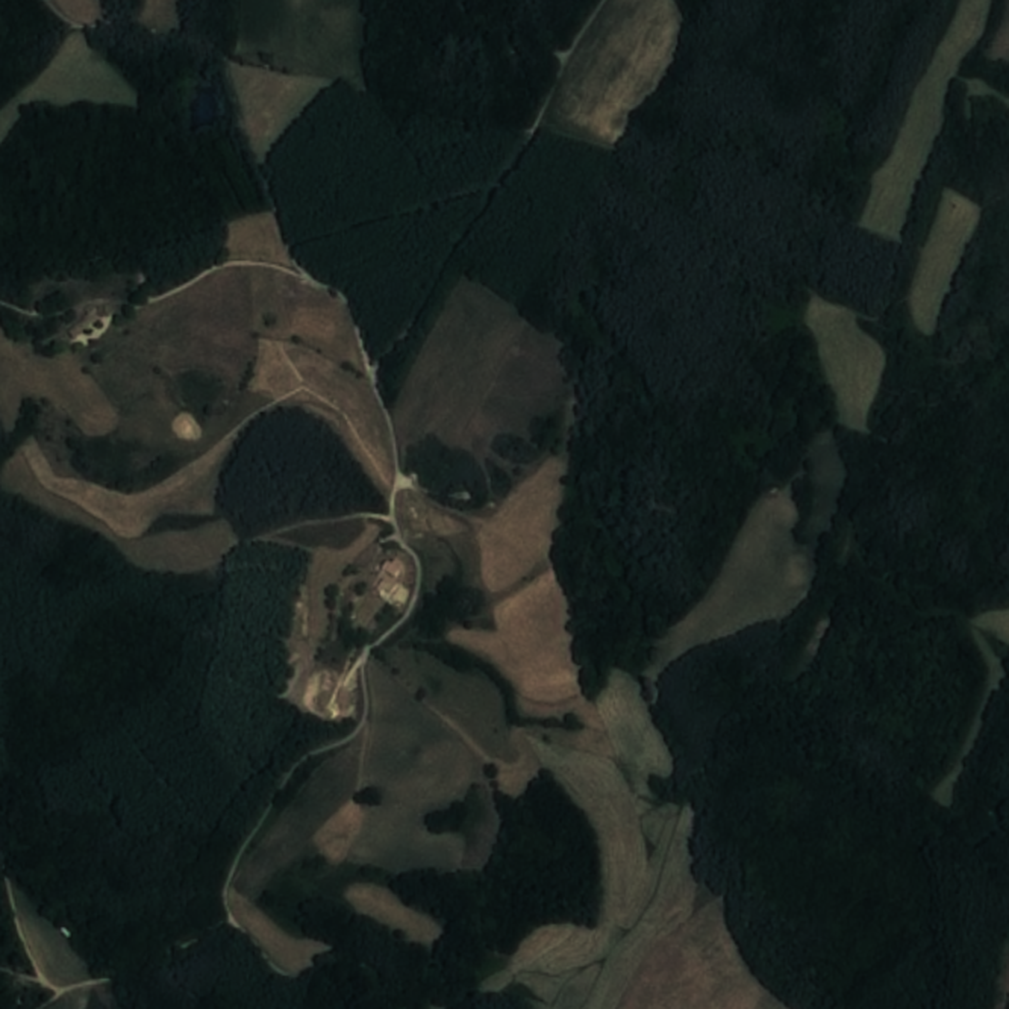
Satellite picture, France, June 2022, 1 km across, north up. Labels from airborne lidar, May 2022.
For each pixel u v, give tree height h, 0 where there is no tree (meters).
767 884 16
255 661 16
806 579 0
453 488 11
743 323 16
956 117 6
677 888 0
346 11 0
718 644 13
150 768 18
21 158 8
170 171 6
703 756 12
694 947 0
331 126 19
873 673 23
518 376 0
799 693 18
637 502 14
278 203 16
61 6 0
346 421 0
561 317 14
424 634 10
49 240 13
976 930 13
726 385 10
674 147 19
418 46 15
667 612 15
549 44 17
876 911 14
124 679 10
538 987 0
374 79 17
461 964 21
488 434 0
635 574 18
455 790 0
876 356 0
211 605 16
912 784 21
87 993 0
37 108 16
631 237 15
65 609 20
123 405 0
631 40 0
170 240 11
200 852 10
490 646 0
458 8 17
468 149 23
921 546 13
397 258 18
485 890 18
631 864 0
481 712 0
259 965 19
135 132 9
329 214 20
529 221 21
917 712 23
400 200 23
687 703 11
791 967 15
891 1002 15
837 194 15
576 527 13
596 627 13
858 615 17
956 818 13
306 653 0
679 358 19
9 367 0
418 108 18
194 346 0
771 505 0
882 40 18
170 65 18
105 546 17
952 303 19
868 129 20
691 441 7
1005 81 12
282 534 0
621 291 17
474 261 20
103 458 0
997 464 12
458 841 0
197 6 12
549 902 22
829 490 0
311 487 7
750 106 21
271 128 0
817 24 19
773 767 21
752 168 21
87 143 12
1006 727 18
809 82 21
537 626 0
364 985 17
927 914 10
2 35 16
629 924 0
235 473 9
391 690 0
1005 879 18
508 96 23
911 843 8
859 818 20
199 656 21
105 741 20
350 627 8
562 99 0
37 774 18
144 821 21
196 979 17
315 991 21
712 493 9
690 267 19
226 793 23
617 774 0
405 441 0
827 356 0
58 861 15
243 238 0
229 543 0
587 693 13
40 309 17
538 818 19
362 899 0
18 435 14
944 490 9
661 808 0
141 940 18
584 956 0
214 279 0
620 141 10
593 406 19
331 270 22
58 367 0
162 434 0
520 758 0
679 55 12
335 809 0
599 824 0
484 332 0
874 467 8
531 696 0
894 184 0
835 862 11
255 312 0
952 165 13
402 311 18
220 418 0
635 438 15
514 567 0
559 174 23
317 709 0
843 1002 12
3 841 17
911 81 19
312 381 0
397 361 14
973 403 8
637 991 0
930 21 18
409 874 11
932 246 0
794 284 15
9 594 21
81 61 0
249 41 0
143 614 13
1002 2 11
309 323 0
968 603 14
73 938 12
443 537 0
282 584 14
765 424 11
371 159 21
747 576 0
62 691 13
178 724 20
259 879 0
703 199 19
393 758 0
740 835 15
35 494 0
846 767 22
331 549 0
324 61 0
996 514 11
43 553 17
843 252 19
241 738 13
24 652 20
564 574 12
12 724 15
